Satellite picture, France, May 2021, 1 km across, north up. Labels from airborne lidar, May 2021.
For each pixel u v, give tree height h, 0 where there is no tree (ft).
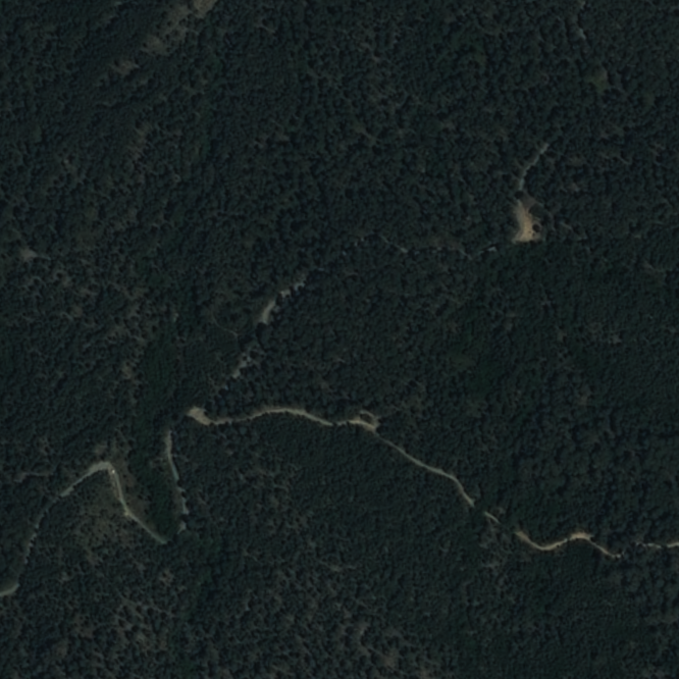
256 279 82
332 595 66
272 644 76
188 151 90
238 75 59
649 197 94
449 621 58
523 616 80
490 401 84
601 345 38
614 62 90
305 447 68
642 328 57
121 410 54
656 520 76
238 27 85
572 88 115
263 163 102
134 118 102
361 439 67
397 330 102
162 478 45
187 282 75
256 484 81
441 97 102
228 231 86
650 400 52
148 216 83
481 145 115
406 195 126
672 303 86
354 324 85
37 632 51
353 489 61
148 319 35
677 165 96
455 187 116
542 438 104
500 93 98
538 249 95
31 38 83
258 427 47
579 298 58
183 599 66
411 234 142
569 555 27
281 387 92
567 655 38
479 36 103
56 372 50
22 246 79
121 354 61
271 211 117
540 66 101
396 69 83
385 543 66
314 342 84
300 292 84
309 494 41
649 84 118
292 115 100
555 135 94
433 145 83
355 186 112
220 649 50
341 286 94
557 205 85
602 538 90
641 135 99
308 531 34
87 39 35
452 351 73
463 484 34
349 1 129
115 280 58
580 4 90
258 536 56
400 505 75
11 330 64
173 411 44
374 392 87
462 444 70
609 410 99
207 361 37
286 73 87
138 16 77
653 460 118
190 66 73
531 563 37
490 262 103
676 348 51
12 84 43
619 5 103
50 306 53
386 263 98
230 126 66
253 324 26
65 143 105
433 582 71
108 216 99
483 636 31
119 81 81
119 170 100
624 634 38
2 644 61
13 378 73
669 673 115
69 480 55
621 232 84
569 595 70
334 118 108
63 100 67
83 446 66
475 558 43
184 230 85
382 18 89
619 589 24
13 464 64
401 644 74
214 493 74
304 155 19
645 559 96
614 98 99
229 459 67
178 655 35
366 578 36
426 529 70
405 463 37
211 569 50
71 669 108
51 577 41
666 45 98
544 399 97
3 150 79
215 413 105
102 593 64
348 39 105
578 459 144
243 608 73
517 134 118
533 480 40
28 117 79
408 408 106
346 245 95
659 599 100
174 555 81
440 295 96
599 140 123
